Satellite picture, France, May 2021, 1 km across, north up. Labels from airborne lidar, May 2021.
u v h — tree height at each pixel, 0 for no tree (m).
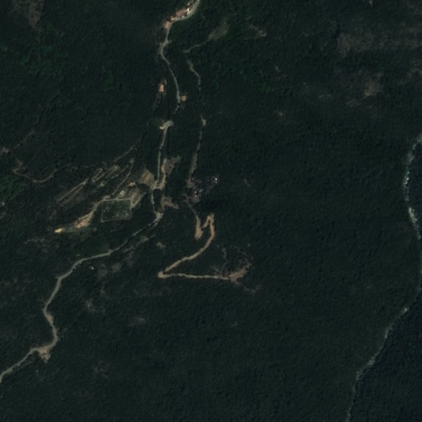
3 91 13
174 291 9
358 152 22
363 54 14
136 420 13
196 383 10
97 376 8
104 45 12
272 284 12
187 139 11
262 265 13
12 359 9
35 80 14
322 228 16
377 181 26
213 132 10
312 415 11
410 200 8
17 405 14
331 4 12
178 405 20
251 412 16
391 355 17
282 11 13
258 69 16
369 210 7
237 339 11
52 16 13
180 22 6
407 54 9
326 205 8
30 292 7
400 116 12
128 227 11
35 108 15
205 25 12
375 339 11
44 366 9
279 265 15
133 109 12
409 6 9
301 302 11
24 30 9
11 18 8
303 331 11
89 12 14
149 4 15
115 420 14
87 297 11
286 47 15
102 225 10
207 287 9
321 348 9
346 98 8
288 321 13
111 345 13
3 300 9
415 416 20
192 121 13
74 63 13
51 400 7
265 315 13
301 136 17
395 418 20
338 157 18
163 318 12
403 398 8
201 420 18
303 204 9
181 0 11
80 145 10
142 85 15
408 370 14
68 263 7
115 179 7
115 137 9
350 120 9
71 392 12
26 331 11
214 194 14
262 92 14
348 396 18
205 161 9
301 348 12
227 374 10
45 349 0
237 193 12
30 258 10
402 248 10
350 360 12
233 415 15
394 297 24
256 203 12
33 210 10
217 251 6
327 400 9
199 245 7
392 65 11
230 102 8
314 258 16
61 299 11
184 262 7
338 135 18
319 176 16
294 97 18
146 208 16
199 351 10
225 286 9
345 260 12
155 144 8
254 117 15
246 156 14
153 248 11
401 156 19
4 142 12
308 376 16
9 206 6
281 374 14
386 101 11
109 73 12
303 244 13
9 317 11
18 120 12
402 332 9
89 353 6
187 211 12
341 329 9
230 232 12
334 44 18
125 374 7
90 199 8
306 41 22
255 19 14
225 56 15
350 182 8
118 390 14
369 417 17
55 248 8
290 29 14
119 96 14
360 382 12
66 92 14
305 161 12
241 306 7
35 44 7
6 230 11
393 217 18
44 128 11
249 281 14
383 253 9
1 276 10
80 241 7
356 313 14
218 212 8
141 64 12
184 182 13
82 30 14
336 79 9
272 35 14
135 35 7
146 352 9
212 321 16
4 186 9
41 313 11
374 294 13
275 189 10
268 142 20
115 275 8
